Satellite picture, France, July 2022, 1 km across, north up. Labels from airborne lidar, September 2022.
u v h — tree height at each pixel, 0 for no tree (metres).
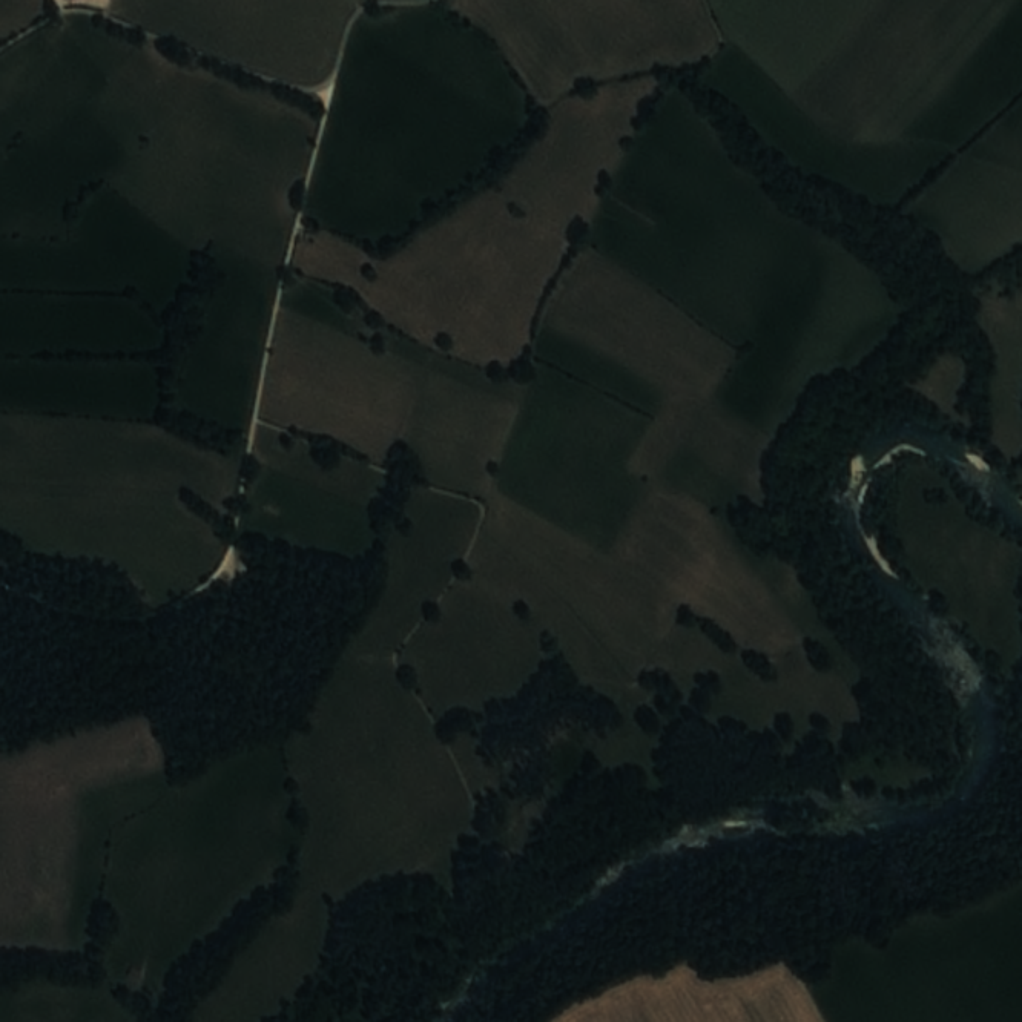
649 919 30
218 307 0
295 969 0
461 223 0
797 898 31
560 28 0
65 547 0
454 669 0
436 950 23
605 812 24
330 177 0
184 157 0
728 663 0
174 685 29
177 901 0
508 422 0
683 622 13
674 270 0
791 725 19
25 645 29
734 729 22
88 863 0
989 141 0
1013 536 9
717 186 0
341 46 0
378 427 0
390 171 0
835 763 17
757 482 0
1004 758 19
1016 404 0
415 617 0
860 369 9
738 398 0
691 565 0
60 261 0
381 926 27
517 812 0
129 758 0
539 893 18
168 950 0
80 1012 0
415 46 0
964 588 0
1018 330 0
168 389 12
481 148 0
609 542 0
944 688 20
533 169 0
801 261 0
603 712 27
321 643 26
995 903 0
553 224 0
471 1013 19
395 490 14
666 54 0
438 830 0
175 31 0
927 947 0
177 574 0
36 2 0
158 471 0
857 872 23
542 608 0
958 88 0
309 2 0
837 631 19
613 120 0
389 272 0
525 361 13
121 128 0
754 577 0
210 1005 0
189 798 0
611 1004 0
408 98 0
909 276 30
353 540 0
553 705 21
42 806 0
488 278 0
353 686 0
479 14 0
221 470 0
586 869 20
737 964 23
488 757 22
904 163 0
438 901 20
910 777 0
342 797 0
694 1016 0
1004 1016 0
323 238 0
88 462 0
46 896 0
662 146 0
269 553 20
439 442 0
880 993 0
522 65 0
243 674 24
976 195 0
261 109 0
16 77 0
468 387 0
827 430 24
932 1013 0
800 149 0
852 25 0
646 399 0
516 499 0
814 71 0
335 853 0
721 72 0
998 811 17
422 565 0
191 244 0
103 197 0
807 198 26
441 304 0
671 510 0
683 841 0
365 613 20
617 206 0
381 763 0
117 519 0
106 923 21
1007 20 0
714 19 7
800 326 0
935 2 0
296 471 0
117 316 0
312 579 27
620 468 0
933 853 27
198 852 0
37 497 0
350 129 0
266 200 0
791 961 20
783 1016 0
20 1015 0
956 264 12
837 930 25
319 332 0
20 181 0
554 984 25
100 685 26
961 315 18
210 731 25
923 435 0
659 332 0
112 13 0
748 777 22
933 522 0
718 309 0
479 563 0
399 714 0
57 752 0
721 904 16
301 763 0
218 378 0
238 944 14
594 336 0
